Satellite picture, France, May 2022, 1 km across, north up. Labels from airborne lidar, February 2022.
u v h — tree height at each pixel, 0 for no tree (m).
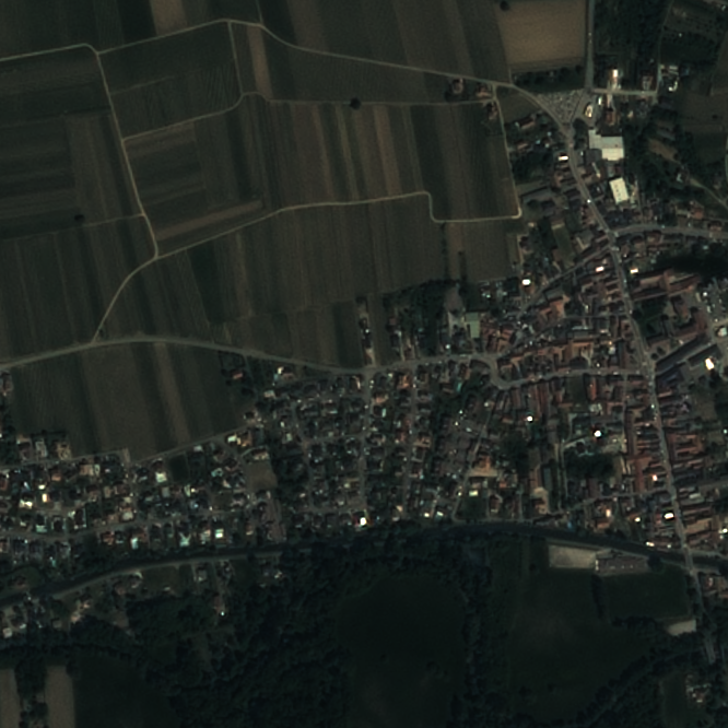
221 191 0
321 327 0
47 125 0
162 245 0
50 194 0
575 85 0
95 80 0
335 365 0
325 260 0
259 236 0
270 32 0
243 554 0
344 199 0
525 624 0
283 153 0
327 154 0
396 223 0
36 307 0
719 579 0
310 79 0
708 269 0
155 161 0
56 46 0
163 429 0
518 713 0
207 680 19
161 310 0
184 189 0
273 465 7
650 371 0
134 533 0
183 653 15
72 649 20
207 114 0
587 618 0
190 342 0
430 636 0
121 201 0
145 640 19
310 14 0
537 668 0
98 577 0
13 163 0
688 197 11
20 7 0
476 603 15
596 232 0
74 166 0
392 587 0
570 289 0
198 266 0
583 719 19
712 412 0
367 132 0
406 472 0
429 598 0
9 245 0
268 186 0
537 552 0
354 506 0
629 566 0
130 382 0
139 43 0
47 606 15
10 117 0
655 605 0
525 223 0
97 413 0
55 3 0
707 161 0
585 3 0
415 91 0
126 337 0
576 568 0
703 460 0
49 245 0
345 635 0
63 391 0
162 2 0
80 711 0
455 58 0
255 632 11
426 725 0
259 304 0
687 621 0
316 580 20
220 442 0
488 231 0
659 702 11
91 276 0
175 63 0
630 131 7
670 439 0
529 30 0
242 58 0
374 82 0
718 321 0
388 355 0
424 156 0
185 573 0
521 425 0
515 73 0
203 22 0
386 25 0
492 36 0
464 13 0
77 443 0
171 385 0
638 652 0
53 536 0
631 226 0
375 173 0
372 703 0
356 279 0
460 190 0
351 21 0
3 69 0
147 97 0
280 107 0
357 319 0
